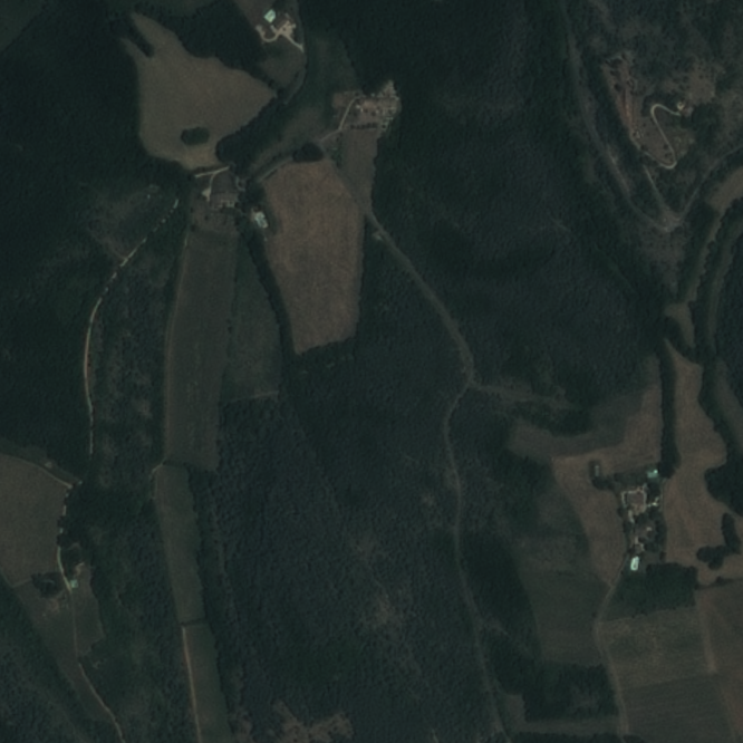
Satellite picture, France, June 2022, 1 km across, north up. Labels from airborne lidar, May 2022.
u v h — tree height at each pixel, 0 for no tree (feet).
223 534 32
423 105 39
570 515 0
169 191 24
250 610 32
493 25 40
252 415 28
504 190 43
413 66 27
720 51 19
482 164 34
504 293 48
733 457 29
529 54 36
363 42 40
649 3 41
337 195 0
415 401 35
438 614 35
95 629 0
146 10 50
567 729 0
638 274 52
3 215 40
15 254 31
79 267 24
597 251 38
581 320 46
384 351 46
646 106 29
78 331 29
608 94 36
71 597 0
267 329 0
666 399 38
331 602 44
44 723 26
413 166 29
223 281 0
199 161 0
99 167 46
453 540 40
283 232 0
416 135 40
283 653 20
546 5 20
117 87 52
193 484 41
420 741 19
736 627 0
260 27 0
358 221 0
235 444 27
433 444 28
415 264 33
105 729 34
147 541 28
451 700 23
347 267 0
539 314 47
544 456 0
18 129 46
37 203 42
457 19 40
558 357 40
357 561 31
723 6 29
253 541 32
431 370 38
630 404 0
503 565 41
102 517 41
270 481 42
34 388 31
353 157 0
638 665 0
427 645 35
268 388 0
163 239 29
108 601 30
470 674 24
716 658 0
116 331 30
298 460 37
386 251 35
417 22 39
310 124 0
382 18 57
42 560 0
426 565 27
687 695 0
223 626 30
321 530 51
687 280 21
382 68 41
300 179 0
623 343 30
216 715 0
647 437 0
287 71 0
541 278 50
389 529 31
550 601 0
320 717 36
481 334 40
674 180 18
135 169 54
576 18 29
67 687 34
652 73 24
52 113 41
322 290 0
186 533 0
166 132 0
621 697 0
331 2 48
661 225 0
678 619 0
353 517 42
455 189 31
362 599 29
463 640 27
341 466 41
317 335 0
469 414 32
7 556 0
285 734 41
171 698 44
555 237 44
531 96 39
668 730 0
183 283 0
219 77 0
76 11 42
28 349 21
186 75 0
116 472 30
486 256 32
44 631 0
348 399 32
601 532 0
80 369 21
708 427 0
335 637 37
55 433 45
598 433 0
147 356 40
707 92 0
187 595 0
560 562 0
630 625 0
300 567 62
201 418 0
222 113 0
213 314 0
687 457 0
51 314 25
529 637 29
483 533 20
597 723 0
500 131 35
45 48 24
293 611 45
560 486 0
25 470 0
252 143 61
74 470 38
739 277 37
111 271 20
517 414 22
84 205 22
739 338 27
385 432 32
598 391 41
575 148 50
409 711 32
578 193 36
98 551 43
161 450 34
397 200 31
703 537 0
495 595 37
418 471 30
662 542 51
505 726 27
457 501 25
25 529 0
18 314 27
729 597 0
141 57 0
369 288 30
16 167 44
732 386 29
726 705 0
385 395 45
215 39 46
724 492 54
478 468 27
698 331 49
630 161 27
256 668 42
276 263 0
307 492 42
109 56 48
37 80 41
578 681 28
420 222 28
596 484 32
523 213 42
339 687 42
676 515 0
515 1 38
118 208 0
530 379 27
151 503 30
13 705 27
